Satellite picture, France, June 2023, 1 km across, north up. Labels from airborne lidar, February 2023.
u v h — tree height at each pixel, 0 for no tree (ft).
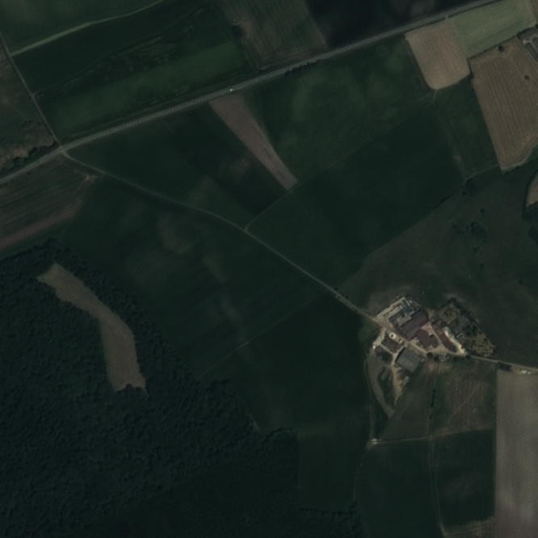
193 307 0
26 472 86
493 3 0
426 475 0
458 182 0
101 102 0
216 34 0
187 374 52
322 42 0
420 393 0
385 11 0
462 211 0
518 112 0
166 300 0
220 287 0
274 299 0
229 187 0
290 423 0
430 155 0
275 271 0
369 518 0
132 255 0
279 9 0
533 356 0
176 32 0
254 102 0
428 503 0
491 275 0
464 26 0
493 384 0
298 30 0
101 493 80
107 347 0
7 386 71
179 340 0
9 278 73
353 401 0
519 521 0
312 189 0
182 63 0
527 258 0
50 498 82
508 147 0
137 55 0
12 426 77
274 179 0
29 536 81
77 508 80
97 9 0
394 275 0
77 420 69
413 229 0
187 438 93
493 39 0
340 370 0
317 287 0
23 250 0
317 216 0
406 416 0
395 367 0
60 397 81
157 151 0
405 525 0
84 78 0
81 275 80
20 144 0
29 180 0
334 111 0
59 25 0
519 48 0
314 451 0
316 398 0
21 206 0
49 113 0
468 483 0
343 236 0
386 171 0
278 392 0
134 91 0
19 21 0
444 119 0
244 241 0
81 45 0
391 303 0
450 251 0
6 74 0
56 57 0
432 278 0
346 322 0
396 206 0
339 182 0
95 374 91
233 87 0
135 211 0
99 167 0
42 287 63
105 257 0
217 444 86
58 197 0
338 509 0
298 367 0
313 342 0
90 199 0
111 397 80
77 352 85
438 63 0
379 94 0
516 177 0
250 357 0
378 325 0
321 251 0
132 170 0
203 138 0
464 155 0
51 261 69
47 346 74
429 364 0
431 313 0
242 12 0
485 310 0
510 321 0
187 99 0
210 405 80
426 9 0
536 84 0
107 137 0
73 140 0
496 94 0
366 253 0
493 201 0
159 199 0
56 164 0
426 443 0
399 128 0
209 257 0
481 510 0
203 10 0
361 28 0
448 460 0
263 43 0
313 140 0
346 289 0
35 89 0
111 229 0
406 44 0
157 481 72
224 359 0
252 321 0
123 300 68
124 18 0
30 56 0
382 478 0
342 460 0
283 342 0
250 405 0
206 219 0
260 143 0
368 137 0
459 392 0
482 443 0
